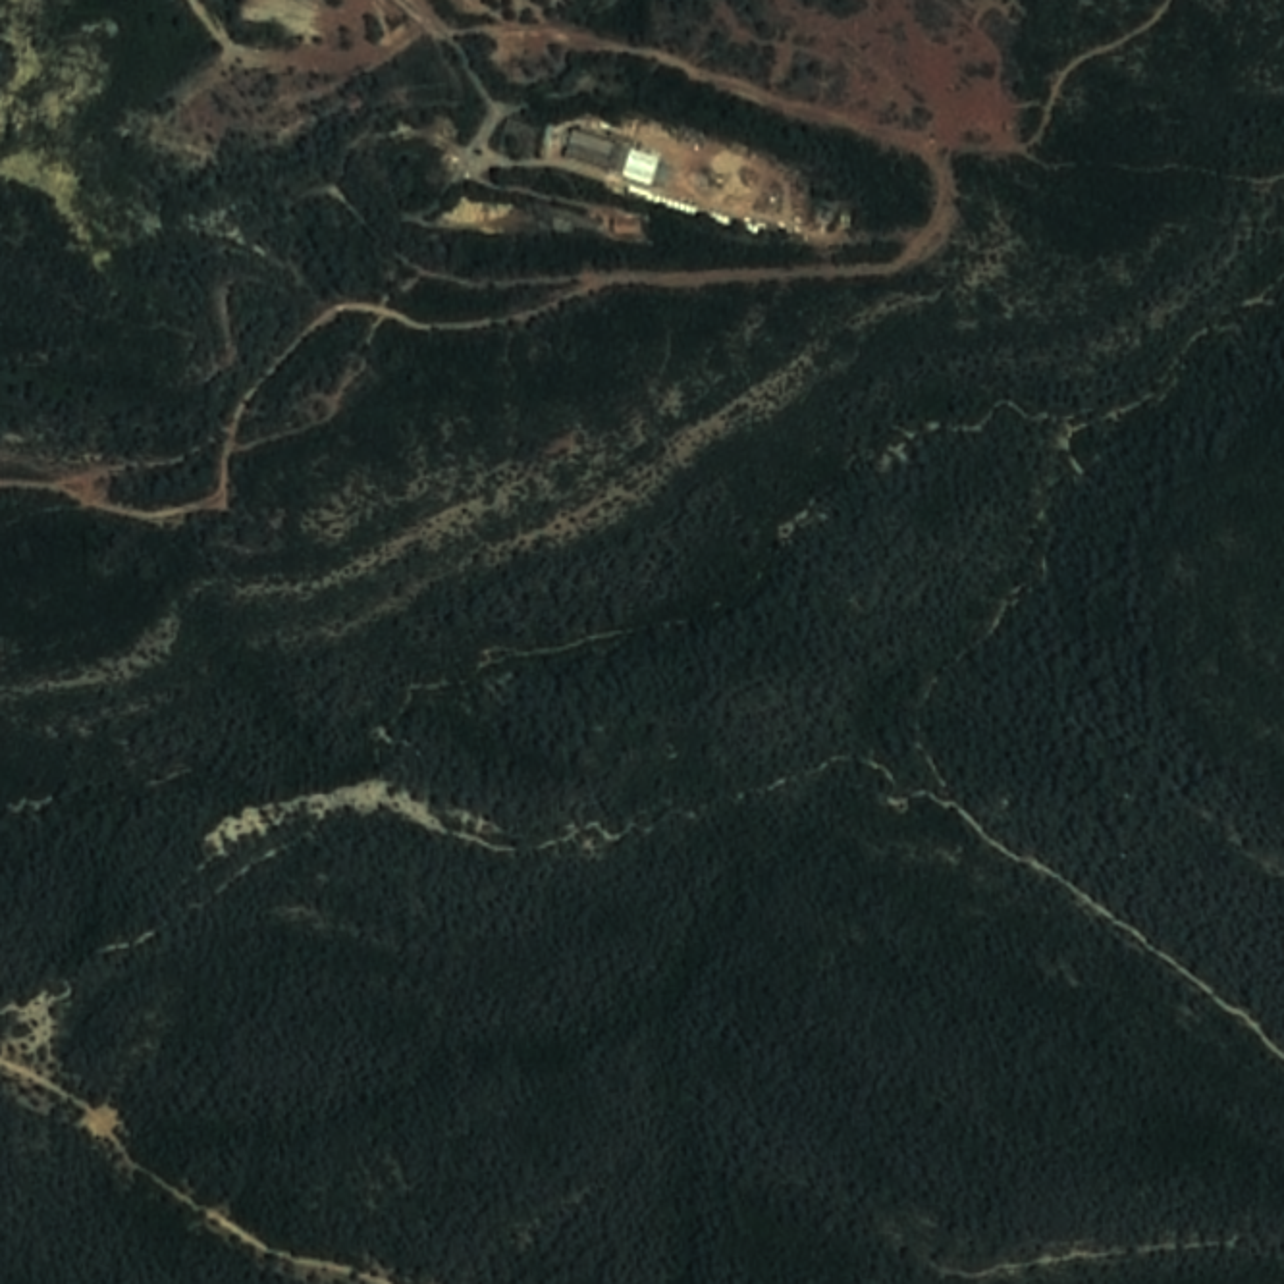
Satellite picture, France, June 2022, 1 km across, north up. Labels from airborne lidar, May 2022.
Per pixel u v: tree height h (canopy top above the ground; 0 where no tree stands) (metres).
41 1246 14
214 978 13
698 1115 13
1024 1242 11
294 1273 16
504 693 12
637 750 6
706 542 7
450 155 0
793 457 8
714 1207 14
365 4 0
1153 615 5
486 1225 12
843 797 8
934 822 7
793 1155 14
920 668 7
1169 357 16
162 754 9
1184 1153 9
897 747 17
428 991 11
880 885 15
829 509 10
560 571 19
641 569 20
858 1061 14
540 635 6
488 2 9
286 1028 15
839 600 13
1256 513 9
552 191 7
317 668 15
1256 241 10
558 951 12
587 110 6
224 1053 13
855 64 0
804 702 8
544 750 18
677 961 8
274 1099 15
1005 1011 12
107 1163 14
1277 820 6
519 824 9
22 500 12
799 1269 6
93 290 11
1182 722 16
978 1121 9
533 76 8
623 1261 17
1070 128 6
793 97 0
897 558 16
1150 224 6
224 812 8
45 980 15
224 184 10
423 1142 12
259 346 15
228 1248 6
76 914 15
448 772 11
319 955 7
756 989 13
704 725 12
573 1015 16
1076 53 6
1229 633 6
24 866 11
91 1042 6
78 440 7
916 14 0
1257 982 11
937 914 6
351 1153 11
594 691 16
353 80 7
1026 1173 14
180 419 13
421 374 12
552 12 12
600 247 8
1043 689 11
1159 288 6
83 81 0
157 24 14
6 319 12
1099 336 9
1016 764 14
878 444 8
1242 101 7
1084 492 17
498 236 8
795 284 7
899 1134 7
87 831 6
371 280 8
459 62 12
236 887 12
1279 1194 15
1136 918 11
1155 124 5
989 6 0
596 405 6
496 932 14
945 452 13
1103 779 14
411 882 10
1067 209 6
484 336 6
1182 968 8
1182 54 6
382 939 12
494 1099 11
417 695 6
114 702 11
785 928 11
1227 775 13
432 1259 15
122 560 7
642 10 10
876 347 8
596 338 5
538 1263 7
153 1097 11
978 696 16
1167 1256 14
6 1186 11
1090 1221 13
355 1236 7
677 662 15
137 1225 9
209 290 10
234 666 9
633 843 15
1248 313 7
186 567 6
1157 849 9
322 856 16
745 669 6
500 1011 15
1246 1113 11
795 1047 13
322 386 10
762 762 15
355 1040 15
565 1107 15
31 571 5
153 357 6
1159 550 7
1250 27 7
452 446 12
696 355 6
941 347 8
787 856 11
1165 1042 8
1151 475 14
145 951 9
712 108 11
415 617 7
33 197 6
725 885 19
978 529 16
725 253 9
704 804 10
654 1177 18
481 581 6
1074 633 7
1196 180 7
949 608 14
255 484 5
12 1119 12
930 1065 16
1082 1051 5
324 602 5
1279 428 11
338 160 13
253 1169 13
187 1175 17
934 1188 13
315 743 19
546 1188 15
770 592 6
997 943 10
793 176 0
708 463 7
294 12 0
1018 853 11
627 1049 18
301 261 13
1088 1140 7
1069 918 6
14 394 15
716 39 9
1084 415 12
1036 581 14
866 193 12
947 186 0
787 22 0
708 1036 15
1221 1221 10
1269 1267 8
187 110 0
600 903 12
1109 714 16
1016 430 12
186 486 13
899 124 0
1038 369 14
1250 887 8
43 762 8
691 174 0
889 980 8
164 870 11
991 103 0
